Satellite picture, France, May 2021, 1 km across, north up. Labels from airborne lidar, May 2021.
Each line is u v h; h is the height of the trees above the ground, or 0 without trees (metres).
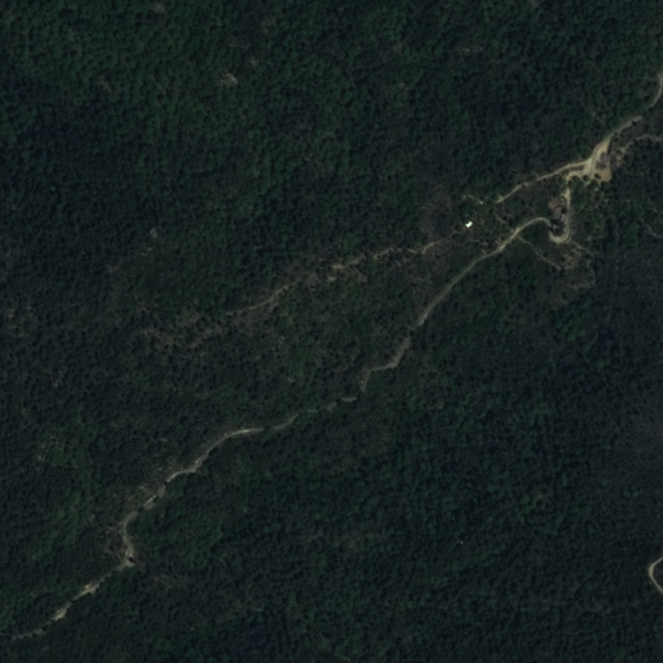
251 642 7
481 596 12
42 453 11
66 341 15
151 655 20
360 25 8
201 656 19
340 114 14
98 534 22
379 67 11
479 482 7
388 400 16
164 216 20
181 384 14
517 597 15
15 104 32
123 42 15
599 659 15
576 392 14
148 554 11
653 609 16
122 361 14
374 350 13
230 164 15
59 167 20
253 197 20
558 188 6
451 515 13
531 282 11
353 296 14
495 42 19
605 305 27
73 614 12
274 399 13
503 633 17
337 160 17
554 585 21
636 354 20
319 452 22
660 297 7
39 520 20
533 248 0
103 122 20
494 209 11
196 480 20
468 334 14
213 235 13
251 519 22
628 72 12
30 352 23
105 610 21
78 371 15
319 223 9
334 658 9
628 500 6
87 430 12
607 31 17
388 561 22
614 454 8
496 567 15
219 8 14
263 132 14
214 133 13
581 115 15
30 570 18
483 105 8
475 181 14
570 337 16
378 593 18
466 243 12
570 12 14
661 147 19
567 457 17
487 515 10
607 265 21
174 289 6
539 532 17
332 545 13
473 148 9
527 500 11
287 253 13
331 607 16
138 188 21
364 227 9
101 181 19
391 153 19
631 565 15
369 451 28
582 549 25
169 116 14
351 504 25
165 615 20
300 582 28
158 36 12
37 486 18
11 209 14
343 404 21
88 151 23
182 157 26
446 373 9
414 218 11
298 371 13
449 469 18
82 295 13
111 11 8
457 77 6
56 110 27
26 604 11
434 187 10
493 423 20
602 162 0
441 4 26
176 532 18
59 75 14
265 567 20
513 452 12
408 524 20
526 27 14
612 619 12
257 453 8
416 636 15
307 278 8
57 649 9
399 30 12
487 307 20
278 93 14
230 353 8
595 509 12
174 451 14
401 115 12
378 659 7
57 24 12
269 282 8
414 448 21
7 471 22
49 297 14
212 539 18
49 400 17
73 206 9
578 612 20
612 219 8
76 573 19
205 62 15
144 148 19
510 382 18
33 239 23
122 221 19
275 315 10
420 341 20
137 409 17
